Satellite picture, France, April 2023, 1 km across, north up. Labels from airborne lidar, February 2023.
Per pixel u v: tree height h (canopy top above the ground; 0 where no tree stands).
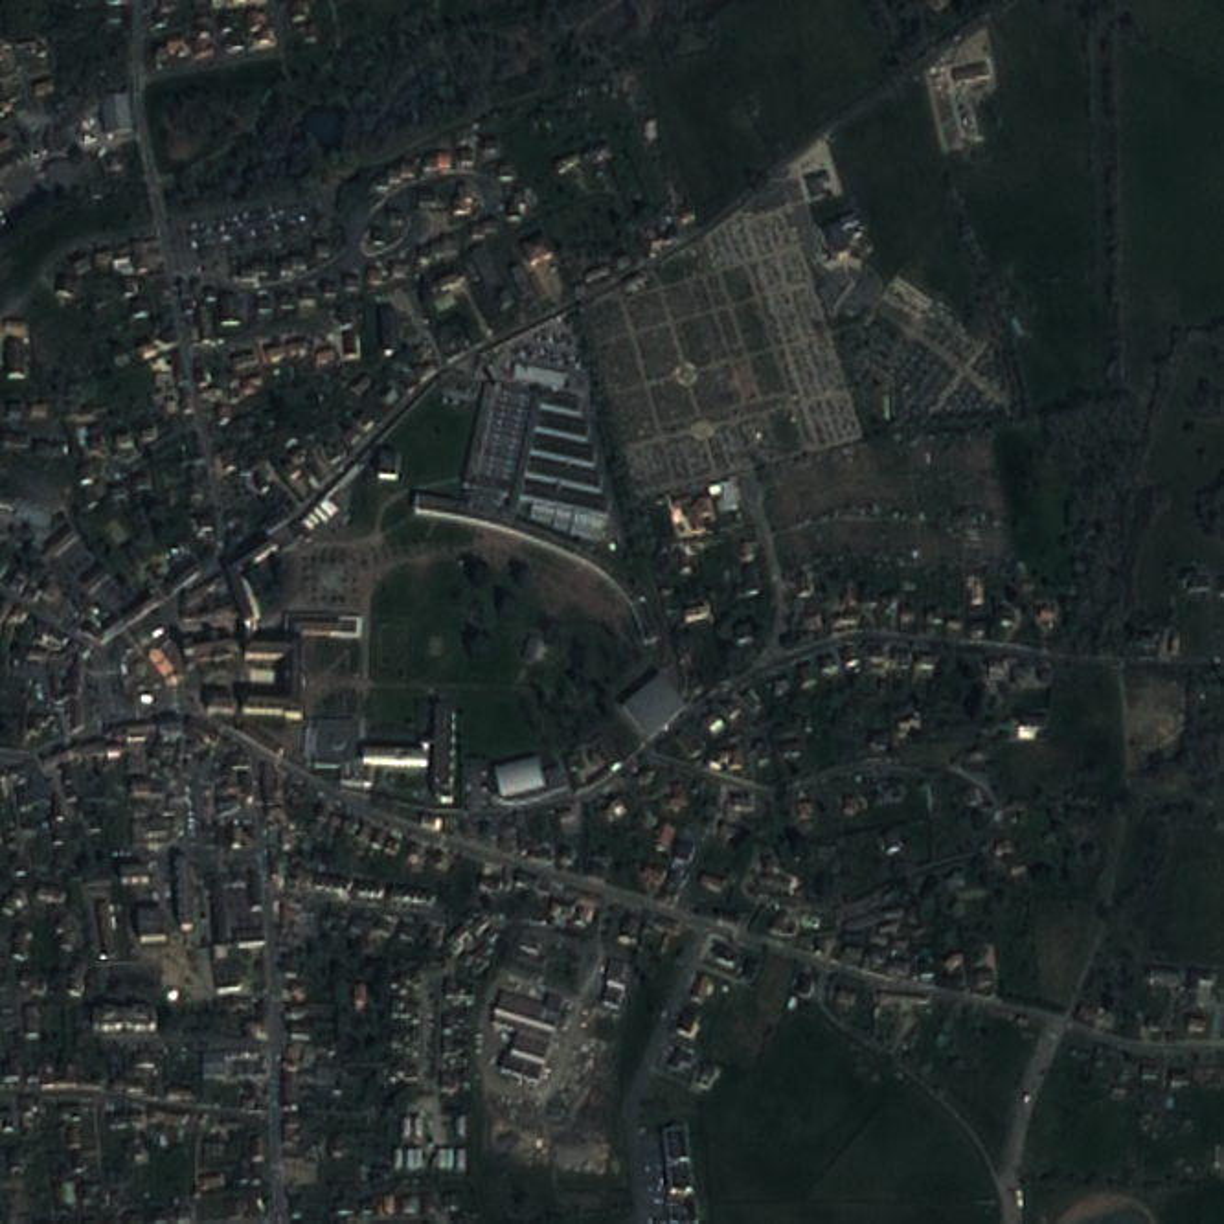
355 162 15
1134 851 0
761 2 0
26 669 0
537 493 0
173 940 0
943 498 0
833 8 0
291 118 18
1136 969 9
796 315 0
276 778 0
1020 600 14
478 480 0
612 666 21
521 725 0
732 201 0
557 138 6
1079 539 10
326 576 0
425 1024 0
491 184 0
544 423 0
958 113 0
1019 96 0
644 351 0
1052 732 0
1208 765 21
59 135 0
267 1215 0
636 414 0
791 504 0
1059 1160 0
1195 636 0
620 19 0
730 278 0
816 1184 0
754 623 8
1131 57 0
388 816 15
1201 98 0
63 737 0
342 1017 9
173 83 0
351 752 0
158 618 15
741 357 0
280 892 0
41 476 0
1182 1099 0
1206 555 0
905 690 13
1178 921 0
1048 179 0
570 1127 0
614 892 0
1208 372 0
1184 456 0
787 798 16
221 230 0
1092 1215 0
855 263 0
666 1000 0
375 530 0
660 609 0
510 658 0
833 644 0
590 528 0
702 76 0
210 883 0
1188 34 0
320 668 0
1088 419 25
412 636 0
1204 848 0
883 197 0
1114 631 7
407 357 12
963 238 5
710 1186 0
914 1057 11
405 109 13
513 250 0
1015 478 0
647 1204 0
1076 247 0
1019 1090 0
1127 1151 0
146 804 9
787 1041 0
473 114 16
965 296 0
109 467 0
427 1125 0
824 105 0
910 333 0
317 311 0
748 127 0
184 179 17
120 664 10
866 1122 0
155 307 13
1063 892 0
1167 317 0
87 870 15
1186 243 0
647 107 0
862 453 0
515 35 0
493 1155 0
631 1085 0
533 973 10
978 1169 0
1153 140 0
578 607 0
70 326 0
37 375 10
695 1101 0
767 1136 0
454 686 0
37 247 0
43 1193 7
